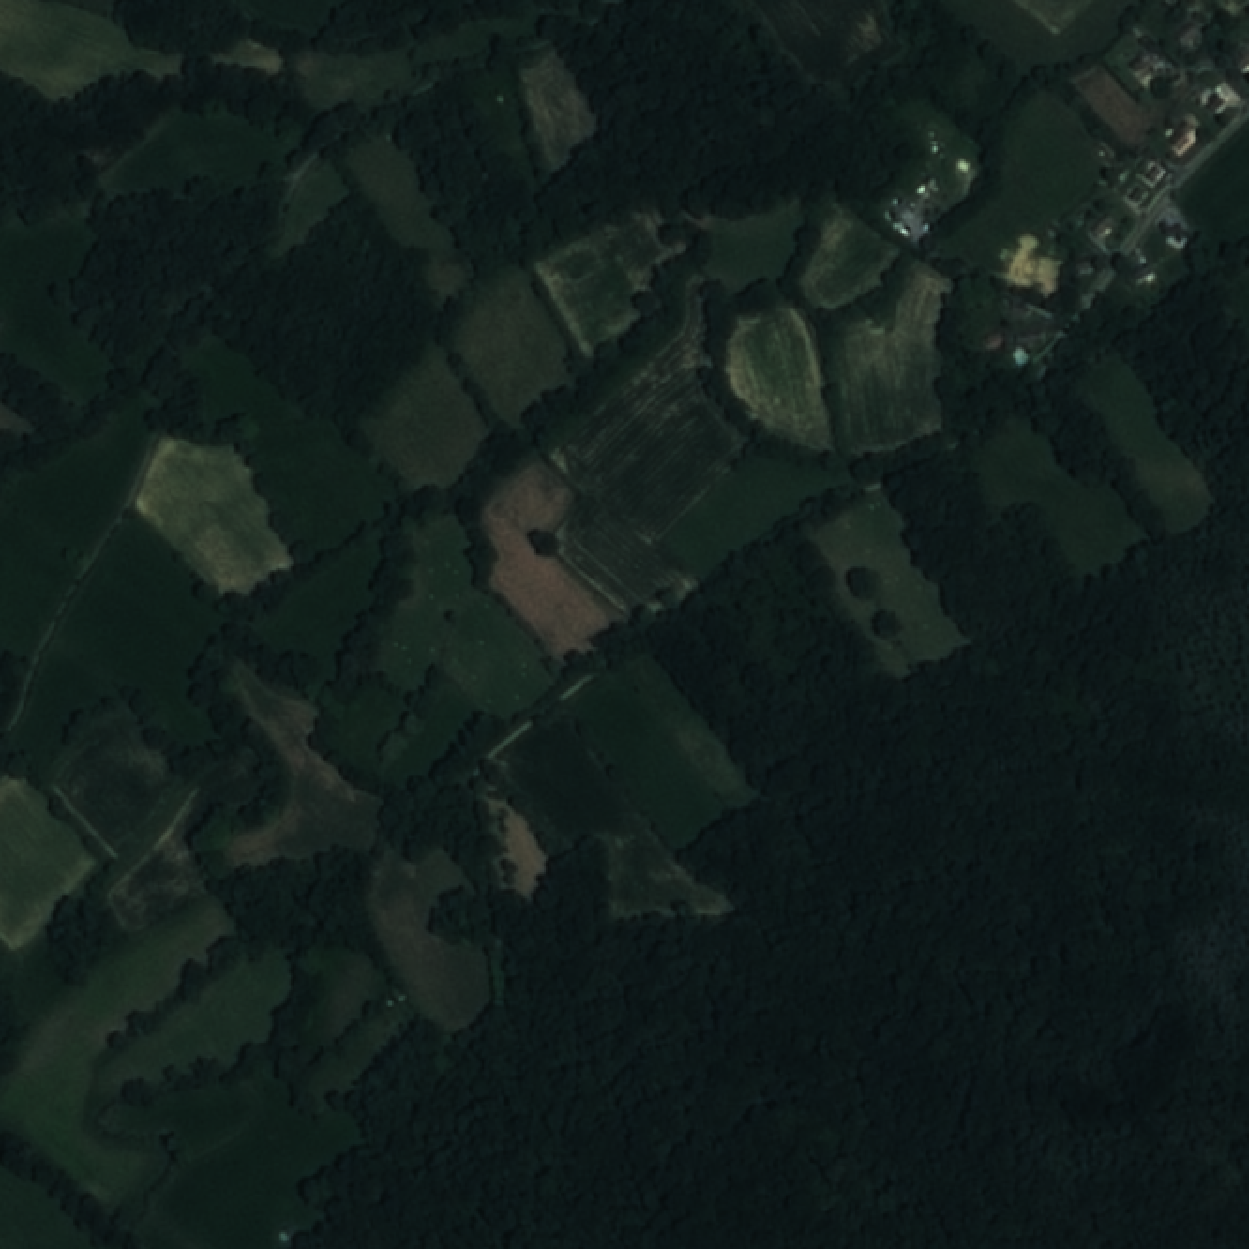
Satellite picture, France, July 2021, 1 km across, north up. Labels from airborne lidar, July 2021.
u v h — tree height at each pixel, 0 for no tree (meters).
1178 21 9
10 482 21
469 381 6
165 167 0
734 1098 23
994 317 0
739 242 0
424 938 0
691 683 25
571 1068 13
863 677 27
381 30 21
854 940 27
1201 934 15
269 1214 0
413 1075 38
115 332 22
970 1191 25
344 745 0
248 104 23
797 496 0
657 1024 25
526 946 24
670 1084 22
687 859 16
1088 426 27
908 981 25
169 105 25
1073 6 0
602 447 0
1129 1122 20
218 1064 11
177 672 0
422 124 28
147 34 25
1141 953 19
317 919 27
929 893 25
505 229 23
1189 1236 24
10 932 0
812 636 8
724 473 0
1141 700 22
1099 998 22
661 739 0
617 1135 27
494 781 17
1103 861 24
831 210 0
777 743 12
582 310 0
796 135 27
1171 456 0
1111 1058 18
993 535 17
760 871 18
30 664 17
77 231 0
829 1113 28
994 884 27
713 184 21
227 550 0
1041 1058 21
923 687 20
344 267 9
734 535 0
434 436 0
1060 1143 15
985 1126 20
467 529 17
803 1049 30
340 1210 22
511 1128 19
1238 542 20
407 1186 26
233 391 0
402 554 23
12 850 0
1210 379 20
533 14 19
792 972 29
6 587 0
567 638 0
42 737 0
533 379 0
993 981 25
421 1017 9
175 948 0
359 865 17
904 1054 25
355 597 0
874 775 8
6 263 0
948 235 12
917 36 18
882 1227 28
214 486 0
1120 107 0
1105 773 23
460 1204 21
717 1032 9
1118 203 0
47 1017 0
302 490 0
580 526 0
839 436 8
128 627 0
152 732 17
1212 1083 24
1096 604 21
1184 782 18
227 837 26
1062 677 15
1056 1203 17
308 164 21
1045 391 21
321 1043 0
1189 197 0
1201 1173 22
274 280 17
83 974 14
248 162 0
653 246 0
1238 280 7
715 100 34
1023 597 21
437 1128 23
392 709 0
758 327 0
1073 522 0
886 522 0
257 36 17
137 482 0
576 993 21
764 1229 24
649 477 0
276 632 0
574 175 20
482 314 0
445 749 0
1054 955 31
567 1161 16
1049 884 29
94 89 11
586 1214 25
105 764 0
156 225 17
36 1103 0
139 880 0
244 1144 0
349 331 12
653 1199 22
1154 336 14
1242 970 21
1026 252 0
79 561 10
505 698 0
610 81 19
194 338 22
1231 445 26
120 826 0
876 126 15
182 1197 0
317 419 13
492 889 8
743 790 0
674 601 23
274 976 0
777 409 0
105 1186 0
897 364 0
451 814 18
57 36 0
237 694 17
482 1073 16
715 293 17
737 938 29
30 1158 19
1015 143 0
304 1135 0
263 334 17
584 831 0
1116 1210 18
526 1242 23
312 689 25
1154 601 19
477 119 19
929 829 25
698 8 24
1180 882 20
